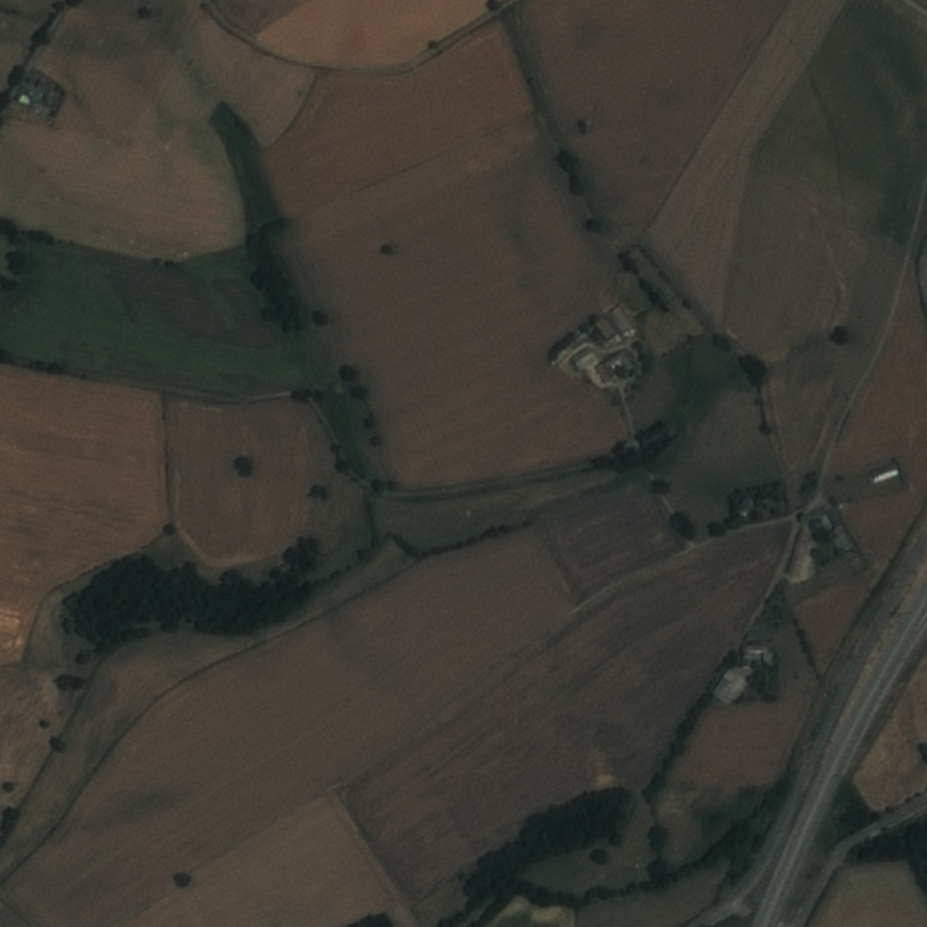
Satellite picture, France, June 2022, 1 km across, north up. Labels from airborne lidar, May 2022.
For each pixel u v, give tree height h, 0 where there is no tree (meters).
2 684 0
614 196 0
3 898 0
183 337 0
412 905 0
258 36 0
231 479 0
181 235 0
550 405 0
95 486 0
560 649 0
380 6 0
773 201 0
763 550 0
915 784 0
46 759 0
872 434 0
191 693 0
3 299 0
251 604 19
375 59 0
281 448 0
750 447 0
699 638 0
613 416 0
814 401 0
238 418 0
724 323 0
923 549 0
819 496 0
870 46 0
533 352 0
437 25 0
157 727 0
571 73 0
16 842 0
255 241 12
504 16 0
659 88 0
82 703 0
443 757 0
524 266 0
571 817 17
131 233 0
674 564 0
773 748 0
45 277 0
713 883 0
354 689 0
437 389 0
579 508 0
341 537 0
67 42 0
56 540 0
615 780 0
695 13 0
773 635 0
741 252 0
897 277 0
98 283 0
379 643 0
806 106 0
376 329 0
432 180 0
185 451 0
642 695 0
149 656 0
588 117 0
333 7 0
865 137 0
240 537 0
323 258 0
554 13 0
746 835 7
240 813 0
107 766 0
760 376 15
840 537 0
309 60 0
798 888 0
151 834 0
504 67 0
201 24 0
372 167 0
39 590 0
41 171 0
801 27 0
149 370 0
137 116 0
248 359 0
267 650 0
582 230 0
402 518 0
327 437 0
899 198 0
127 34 0
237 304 0
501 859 15
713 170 0
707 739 0
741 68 0
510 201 0
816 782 0
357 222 0
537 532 0
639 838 0
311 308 0
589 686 0
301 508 0
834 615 0
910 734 0
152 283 0
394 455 0
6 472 0
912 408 0
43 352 0
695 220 0
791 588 0
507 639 0
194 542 0
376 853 0
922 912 0
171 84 0
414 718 0
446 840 0
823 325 0
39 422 0
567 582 0
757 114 0
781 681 0
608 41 0
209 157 0
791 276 0
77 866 0
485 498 0
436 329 0
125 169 0
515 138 0
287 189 0
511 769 0
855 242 0
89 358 0
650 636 0
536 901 19
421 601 0
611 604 0
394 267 0
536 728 0
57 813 0
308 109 0
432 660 0
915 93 0
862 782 0
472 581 0
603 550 0
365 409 0
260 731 0
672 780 0
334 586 0
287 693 0
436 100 0
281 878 0
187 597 21
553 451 0
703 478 0
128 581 21
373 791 0
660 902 0
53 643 0
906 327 0
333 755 0
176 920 0
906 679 0
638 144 0
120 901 0
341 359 0
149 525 0
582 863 0
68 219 0
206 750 0
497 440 0
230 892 0
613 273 0
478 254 0
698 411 0
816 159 0
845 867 0
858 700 0
